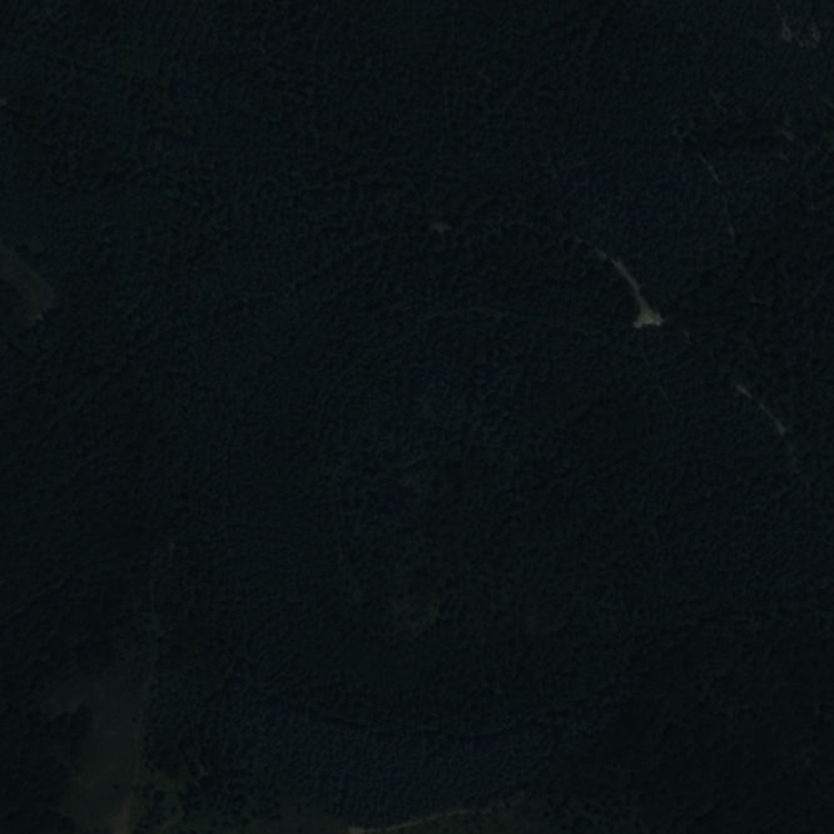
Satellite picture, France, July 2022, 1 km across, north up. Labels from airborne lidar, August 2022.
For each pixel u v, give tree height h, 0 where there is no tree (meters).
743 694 17
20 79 26
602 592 30
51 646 17
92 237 20
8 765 16
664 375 19
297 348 19
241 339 18
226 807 7
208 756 15
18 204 23
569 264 14
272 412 18
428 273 8
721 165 28
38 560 21
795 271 21
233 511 16
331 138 15
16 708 19
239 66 24
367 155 23
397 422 7
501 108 25
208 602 13
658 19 21
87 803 0
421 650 14
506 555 15
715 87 26
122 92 27
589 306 16
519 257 14
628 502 23
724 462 22
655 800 16
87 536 18
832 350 19
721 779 17
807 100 27
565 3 18
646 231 21
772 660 20
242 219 31
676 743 19
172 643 7
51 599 14
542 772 21
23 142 22
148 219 27
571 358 29
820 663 22
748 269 22
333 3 22
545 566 16
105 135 19
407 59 17
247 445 16
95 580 13
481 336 20
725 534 24
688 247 26
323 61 25
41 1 26
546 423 26
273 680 19
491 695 20
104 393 18
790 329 32
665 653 17
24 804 21
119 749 0
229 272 21
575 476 25
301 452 20
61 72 17
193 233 18
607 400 21
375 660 16
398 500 9
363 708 16
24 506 20
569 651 9
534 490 18
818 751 18
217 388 16
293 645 16
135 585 12
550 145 23
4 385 16
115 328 16
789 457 19
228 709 24
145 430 17
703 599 17
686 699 18
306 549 16
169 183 24
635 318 13
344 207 26
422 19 15
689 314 23
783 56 28
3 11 18
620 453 18
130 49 19
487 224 36
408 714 11
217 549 23
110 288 15
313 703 14
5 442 17
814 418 18
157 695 7
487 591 17
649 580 17
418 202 29
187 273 19
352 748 27
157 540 17
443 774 28
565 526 15
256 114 16
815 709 14
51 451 20
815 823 24
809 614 13
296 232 34
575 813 11
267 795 10
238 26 12
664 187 29
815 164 21
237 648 21
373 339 21
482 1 21
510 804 8
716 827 19
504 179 23
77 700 0
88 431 20
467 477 22
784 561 28
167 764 21
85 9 20
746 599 20
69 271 11
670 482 21
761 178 30
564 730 29
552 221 22
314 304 22
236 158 18
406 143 22
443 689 12
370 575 9
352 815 20
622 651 13
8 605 16
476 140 15
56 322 19
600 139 28
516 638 11
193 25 17
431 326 9
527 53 27
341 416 8
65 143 25
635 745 16
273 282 18
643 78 25
